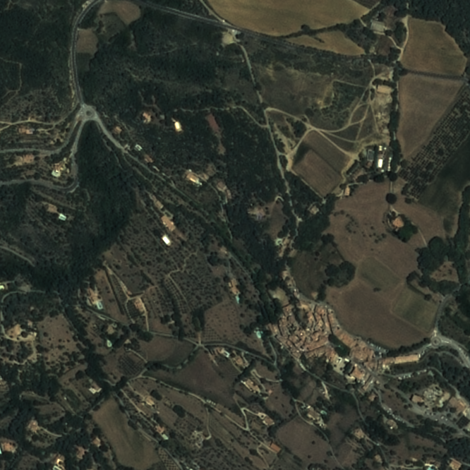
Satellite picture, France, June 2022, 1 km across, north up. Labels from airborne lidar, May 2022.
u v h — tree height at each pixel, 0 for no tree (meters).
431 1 15
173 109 9
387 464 14
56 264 8
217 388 0
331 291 0
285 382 11
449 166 0
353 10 0
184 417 8
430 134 0
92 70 7
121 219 6
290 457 0
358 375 0
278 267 9
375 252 0
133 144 6
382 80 8
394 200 19
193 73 6
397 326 0
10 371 11
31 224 9
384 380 0
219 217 6
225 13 0
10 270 9
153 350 0
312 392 0
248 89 0
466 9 13
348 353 11
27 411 14
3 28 8
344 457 0
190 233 8
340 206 0
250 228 8
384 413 7
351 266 11
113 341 7
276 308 9
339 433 0
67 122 7
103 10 0
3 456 11
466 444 15
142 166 5
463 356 0
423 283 9
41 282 9
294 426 0
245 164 5
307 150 0
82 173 8
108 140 7
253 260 9
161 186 6
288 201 10
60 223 7
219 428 0
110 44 6
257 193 7
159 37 7
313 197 7
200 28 12
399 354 7
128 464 0
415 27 0
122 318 0
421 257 13
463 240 15
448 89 0
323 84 0
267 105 9
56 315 7
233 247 11
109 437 0
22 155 7
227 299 0
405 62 0
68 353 7
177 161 7
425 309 0
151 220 8
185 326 5
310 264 0
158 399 10
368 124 0
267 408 9
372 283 0
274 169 7
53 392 14
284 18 0
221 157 12
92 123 7
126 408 8
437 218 0
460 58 0
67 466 12
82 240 8
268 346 8
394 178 21
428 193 0
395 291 0
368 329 0
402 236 26
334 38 0
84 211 6
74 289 16
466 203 8
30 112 6
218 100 10
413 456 0
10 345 13
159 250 7
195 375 0
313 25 0
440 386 6
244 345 10
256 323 7
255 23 0
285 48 0
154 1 6
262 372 0
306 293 0
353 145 0
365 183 11
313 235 11
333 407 9
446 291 13
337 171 0
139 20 7
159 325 0
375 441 8
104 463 11
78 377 8
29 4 0
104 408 0
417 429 10
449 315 10
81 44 0
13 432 16
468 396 17
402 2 17
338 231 0
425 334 0
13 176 6
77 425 8
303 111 0
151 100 10
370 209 0
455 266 9
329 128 0
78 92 0
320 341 0
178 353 0
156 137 6
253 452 10
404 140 0
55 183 7
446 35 0
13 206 9
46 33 7
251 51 0
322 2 0
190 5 6
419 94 0
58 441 13
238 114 9
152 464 0
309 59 0
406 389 8
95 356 13
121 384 13
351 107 0
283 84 0
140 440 0
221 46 6
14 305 14
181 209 10
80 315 6
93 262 6
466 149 0
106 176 8
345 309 0
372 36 14
